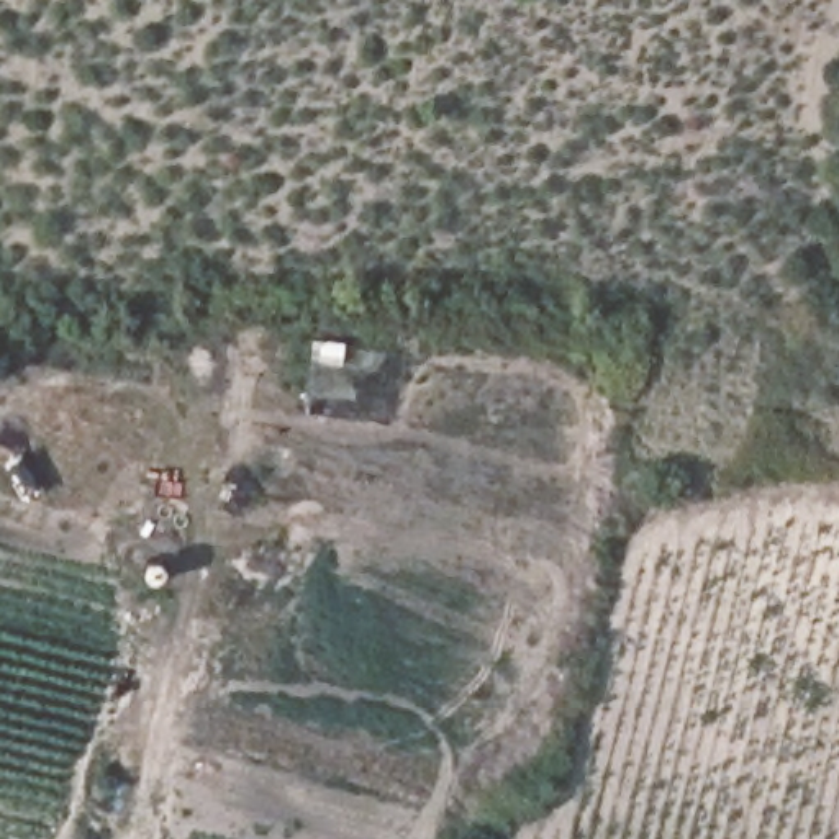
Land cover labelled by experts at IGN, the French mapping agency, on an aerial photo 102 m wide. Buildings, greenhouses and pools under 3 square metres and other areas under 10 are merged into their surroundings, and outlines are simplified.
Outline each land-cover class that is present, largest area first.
<instances>
[{"label":"herbaceous vegetation","instance_id":"1","mask_svg":"<svg viewBox=\"0 0 839 839\"><path fill-rule=\"evenodd\" d=\"M806 29L839 36V0H0V243L26 246V256L13 269L23 279H33L36 265L46 262L66 275L121 279V288L128 292H154L161 275H174V288H184V249H203L210 256L226 252L236 272L262 275H269L272 269L331 275L334 262H351L361 275L367 269L390 262L403 272L482 269L495 279H531L537 285H564L567 279H577L587 292L590 311L603 318L626 315L633 308L646 315L655 305L672 308V328L662 344V374L652 387L642 416L649 423V436L636 442L639 456L662 459L672 452H688L708 462L734 459L747 442V426L754 420L760 338L754 334L751 344L737 341L731 315L751 318L757 308H777L780 298L796 302L803 295V288L793 285L780 269L800 249L813 246V229H806V223L796 213L813 200L816 187L829 184L826 157L836 151L829 131L823 128H803V105L793 102L787 92L790 72L803 69V56L793 49V39ZM259 347L265 367L252 383V410L393 423L400 393L410 383V370L426 357L420 351V338H410L406 331L397 338V347H383L380 354L361 351L357 338L344 344L341 364L331 367L315 361L308 367L305 390H282L275 374L288 361V351L272 331H262ZM436 380V390L429 397L413 400V416L403 439L334 442L308 429L275 426V433H269L259 442V449L243 465L229 469L226 475L229 485L220 492V498L233 515L229 528L206 534L197 515L187 511V472L197 469L206 456L220 459L229 452V433L223 426V397L229 390L226 351L210 361L206 351L187 354L164 344L161 364H151V383L111 374H75L46 367H26V383H0V551L16 554V547H29L102 567L138 560L147 570L164 567V583L180 596L177 619L164 616L157 603H131L128 590L115 596V665L134 672L141 662V649L170 642L177 623L187 626L190 619H216L220 639L210 646V659L223 662V678H272L295 685L331 682L344 688L393 692L420 701L426 711L439 708L446 718L442 734L452 744V770L459 777L452 803L465 813V803L478 783L488 787L492 780H501L511 767L531 760L551 734V708L541 701H524L498 737H485L478 731V721L495 718L501 711L495 685L501 678H518L511 652H498L488 642L515 580L505 570H495L501 564V554H534L557 564L567 547V488L560 485V478H537L534 472L541 462H564L570 456L564 426H574L570 393L547 390L537 377L528 374L429 367V374H420V383ZM793 410H806L810 416L826 423L829 449L839 452V383L826 387V400L793 393L790 403ZM764 501L773 505L800 498L839 505V482H780L754 488ZM157 701V695L138 682V688L128 695H118L108 685L95 731L82 757L92 764L98 747H108L118 757V764L138 777L147 744L141 705ZM177 728L187 734L184 780L203 783L216 803H223L213 826L203 832L206 839H370V816L383 803L403 810L426 806L442 760L439 741L429 734V724L387 701L236 692L210 705H187L174 718ZM134 787L115 790V806L108 813L111 839H138L131 832Z\"/></svg>","mask_w":839,"mask_h":839},{"label":"vineyard","instance_id":"2","mask_svg":"<svg viewBox=\"0 0 839 839\"><path fill-rule=\"evenodd\" d=\"M610 701L596 705L590 724V751L596 754L587 764L590 777L577 783L574 796L564 806H557L547 819L524 823L518 832L521 839H839V505L800 498L773 505L764 501L754 488L721 501H698L672 511L665 508L633 537L623 560V590L610 619Z\"/></svg>","mask_w":839,"mask_h":839},{"label":"deciduous trees","instance_id":"3","mask_svg":"<svg viewBox=\"0 0 839 839\"><path fill-rule=\"evenodd\" d=\"M823 128L829 131L836 151L826 157L829 184L816 187L813 200L796 213L806 223V229H813V246L800 249L780 269L793 285L803 288V295L806 308L816 315V324L839 338V56L826 66ZM26 256V246L0 243V383H26V367H46L75 374H111L151 383V364H161L164 344L187 354L206 351L210 361L226 351L246 328L262 331H272L288 351V361L275 374L282 390H305L308 367L315 361V344H344L357 338L361 351L380 354L383 347H397V338L406 331L410 338H420V351L426 357L498 354L547 361L577 377L587 387V397H606L613 410L616 403L633 406V393L642 380L652 387L662 374V344L672 328V308L655 305L646 315L633 308L626 315L603 318L590 311L587 292L577 279H567L564 285H537L531 279H495L482 269L403 272L390 262L367 269L361 275L351 262H334L331 275L272 269L269 275H262L236 272L226 252L210 256L203 249H184V288H174V275H161L154 292H128L121 288V279L66 275L46 262L36 265L33 279H23L13 269Z\"/></svg>","mask_w":839,"mask_h":839},{"label":"pervious surface","instance_id":"4","mask_svg":"<svg viewBox=\"0 0 839 839\"><path fill-rule=\"evenodd\" d=\"M793 49L803 56V69L790 72L787 92L793 102L803 105V128H823L826 66L839 56V36L806 29L793 39ZM262 331L246 328L226 351L229 390L223 397V426L229 433V452L220 459L206 456L197 469L187 472V511L197 515L206 534L229 528L233 515L220 498V492L229 485L226 475L229 469L243 465L259 449V442L269 433H275V426L308 429L334 442L403 439L413 416V400L429 397L436 390V380L420 383V374H429V367L528 374L537 377L547 390L570 393L574 426H564L570 456L564 462H541L534 472L537 478H560V485L567 488V547L557 564L534 554H501V564L495 570H505L515 580L488 642L498 652H511L518 678H501L495 685L501 711L495 718L478 721V731L485 737H498L524 701H541L551 708L567 685V669L557 665L560 633L577 629L580 596L596 590L600 564L590 551V541L600 534V511L610 505L613 492V456L606 442L616 426L613 410L606 397H587V387L577 377L547 361L498 354L426 357L410 370V383L400 393L393 423L252 410V383L265 367L259 347ZM220 639L216 619H190L187 626L177 623L170 642L141 649V662L134 672L138 682L157 695V701L141 705L147 744L138 777L134 787L131 832L138 839H206L203 832L213 826L223 803H216L203 783L184 780L187 734L177 728L174 718L187 705H210L236 692L387 701L429 724V734L439 741L442 760L426 806L403 810L383 803L370 816V839H433L439 832L446 806L452 803L459 777L452 770V744L442 734L446 718L439 708L426 711L420 701L393 692L344 688L331 682L295 685L272 678H223V662L210 659V646ZM92 764L82 757L72 770L66 819L59 823V832L52 839H72L85 803V777Z\"/></svg>","mask_w":839,"mask_h":839},{"label":"brushwood","instance_id":"5","mask_svg":"<svg viewBox=\"0 0 839 839\"><path fill-rule=\"evenodd\" d=\"M737 341L751 344L754 334L760 338L754 420L747 426V442L734 459L708 462L688 452H672L662 459L639 456L636 442L649 436V423L642 416L652 387L642 380L633 393V406L616 403L613 410L616 426L606 442L613 456V492L610 505L600 511V534L590 541V551L600 564L596 590L580 596L577 629L560 633L557 665L567 669V685L551 708V734L531 760L511 767L501 780H492L488 787L478 783L465 803V813L452 803L446 806L439 832L433 839H521L518 832L524 823L547 819L557 806H564L574 796L577 783L590 777L587 764L596 754L590 751V724L596 705L610 701V619L623 590V560L633 537L665 508L672 511L698 501H721L754 488L780 482H839V452L829 449L826 423L810 416L806 410H793L790 403L793 393L826 400V387L839 383V338L816 324V315L806 308L803 295L796 302L780 298L777 308H757L751 318L731 315ZM118 695H128L138 688V682L134 672L115 665L108 672V685ZM134 787L138 777L118 764V757L108 747H98L92 764L85 777V803L72 839H111L108 813L115 806V790Z\"/></svg>","mask_w":839,"mask_h":839},{"label":"agricultural land","instance_id":"6","mask_svg":"<svg viewBox=\"0 0 839 839\"><path fill-rule=\"evenodd\" d=\"M147 570L138 560L102 567L29 547H16V554L0 551V839H52L59 832V823L66 819L72 770L82 757L95 731L108 685V672L115 665V596L128 590L131 603H157L164 616L177 619L180 596L164 583L147 587Z\"/></svg>","mask_w":839,"mask_h":839},{"label":"building","instance_id":"7","mask_svg":"<svg viewBox=\"0 0 839 839\"><path fill-rule=\"evenodd\" d=\"M315 361L331 367L341 364L344 344H315ZM164 567L147 570V587L164 583Z\"/></svg>","mask_w":839,"mask_h":839}]
</instances>
